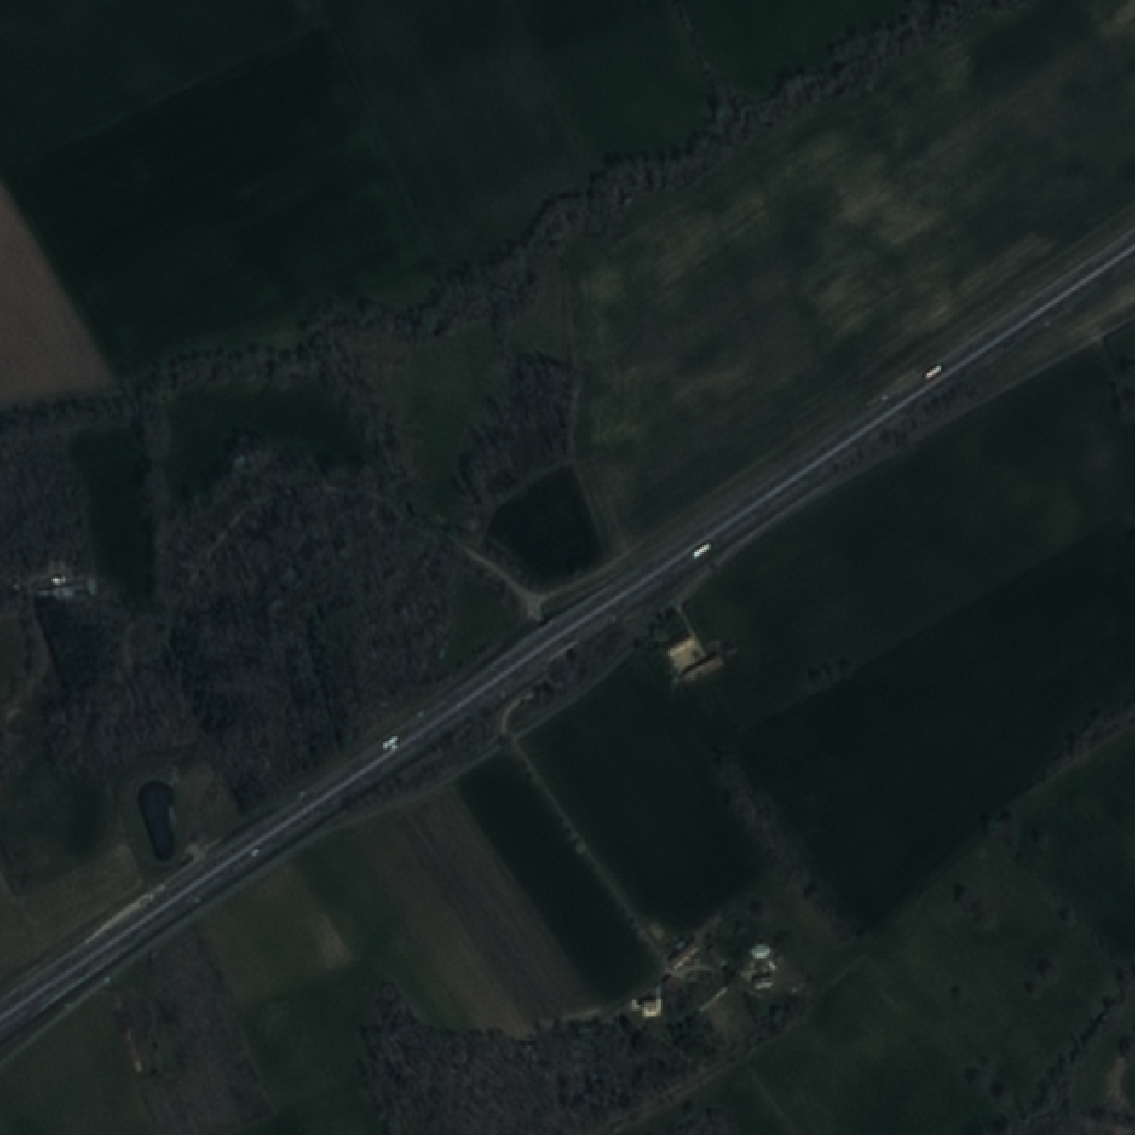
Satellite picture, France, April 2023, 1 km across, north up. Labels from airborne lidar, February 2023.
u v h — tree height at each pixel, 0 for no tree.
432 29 0
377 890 0
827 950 0
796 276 0
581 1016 0
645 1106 18
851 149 0
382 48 0
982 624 0
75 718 23
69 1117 0
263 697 20
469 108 0
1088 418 0
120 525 0
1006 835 8
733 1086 0
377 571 20
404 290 0
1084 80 0
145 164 0
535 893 0
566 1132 19
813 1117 0
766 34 0
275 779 18
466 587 0
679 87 0
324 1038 0
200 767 0
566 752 0
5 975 0
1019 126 0
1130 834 0
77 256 0
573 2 0
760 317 0
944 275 0
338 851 0
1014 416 0
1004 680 0
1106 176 0
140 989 0
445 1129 21
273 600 15
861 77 14
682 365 0
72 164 0
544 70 0
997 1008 0
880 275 0
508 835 0
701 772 0
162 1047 0
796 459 0
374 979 0
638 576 0
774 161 0
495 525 0
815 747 0
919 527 0
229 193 0
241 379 11
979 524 0
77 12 0
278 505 17
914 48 11
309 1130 0
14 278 0
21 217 0
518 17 0
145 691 21
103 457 0
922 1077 0
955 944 0
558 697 12
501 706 0
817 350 0
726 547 0
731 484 0
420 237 0
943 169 0
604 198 21
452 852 0
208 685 17
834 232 0
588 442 0
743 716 0
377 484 20
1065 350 0
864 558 0
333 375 26
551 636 0
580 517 0
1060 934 0
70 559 25
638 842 0
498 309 21
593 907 0
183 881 0
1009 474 0
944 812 0
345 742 12
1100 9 0
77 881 0
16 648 0
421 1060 19
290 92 0
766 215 0
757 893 0
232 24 0
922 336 0
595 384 0
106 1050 0
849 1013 0
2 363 0
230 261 0
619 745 0
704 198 0
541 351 0
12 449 26
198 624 14
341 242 0
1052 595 0
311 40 0
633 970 0
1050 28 0
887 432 0
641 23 0
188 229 0
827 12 0
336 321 22
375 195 0
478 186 0
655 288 0
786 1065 0
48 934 0
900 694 0
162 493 15
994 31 0
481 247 0
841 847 0
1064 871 0
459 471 0
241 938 0
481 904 0
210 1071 0
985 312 0
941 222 0
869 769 0
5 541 24
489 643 0
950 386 0
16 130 0
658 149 0
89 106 0
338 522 22
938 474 0
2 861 0
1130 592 0
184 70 0
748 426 0
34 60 0
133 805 0
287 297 0
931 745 0
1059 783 0
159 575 21
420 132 0
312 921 0
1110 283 0
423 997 0
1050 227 0
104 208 0
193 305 0
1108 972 0
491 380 0
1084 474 0
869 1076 0
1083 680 0
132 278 0
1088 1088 0
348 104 0
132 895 0
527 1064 19
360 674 18
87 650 16
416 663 23
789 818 0
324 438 0
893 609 0
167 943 0
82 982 0
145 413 19
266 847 0
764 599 0
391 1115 15
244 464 18
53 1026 0
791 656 0
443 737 0
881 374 0
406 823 0
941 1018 0
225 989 0
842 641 0
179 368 13
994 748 0
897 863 0
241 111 0
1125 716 6
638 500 0
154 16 0
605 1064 23
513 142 0
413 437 0
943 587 0
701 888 0
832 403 0
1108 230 0
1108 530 0
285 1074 0
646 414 0
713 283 0
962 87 0
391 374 0
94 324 0
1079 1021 0
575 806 0
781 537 0
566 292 0
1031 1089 0
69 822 0
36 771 0
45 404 0
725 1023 0
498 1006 0
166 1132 0
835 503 0
